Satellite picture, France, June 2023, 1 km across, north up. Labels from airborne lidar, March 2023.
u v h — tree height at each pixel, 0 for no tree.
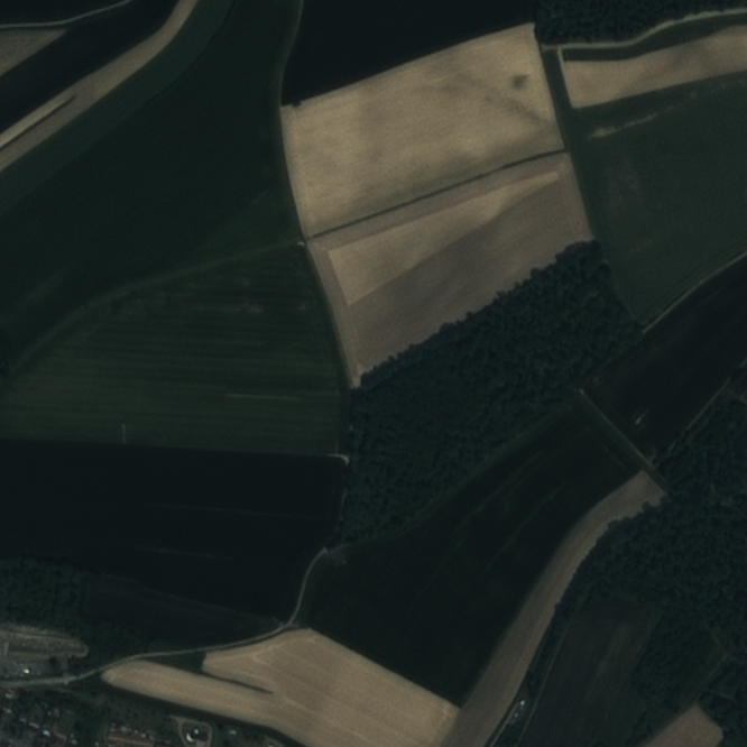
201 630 0
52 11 0
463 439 22
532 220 0
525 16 0
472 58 0
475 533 0
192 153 0
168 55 0
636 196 0
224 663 0
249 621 0
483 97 0
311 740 0
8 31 0
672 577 16
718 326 0
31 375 0
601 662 0
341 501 0
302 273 0
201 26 0
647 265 0
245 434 0
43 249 0
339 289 0
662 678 6
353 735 0
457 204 0
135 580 0
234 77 0
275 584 0
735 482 23
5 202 0
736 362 0
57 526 0
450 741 0
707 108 0
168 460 0
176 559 0
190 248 0
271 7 0
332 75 0
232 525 0
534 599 0
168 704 0
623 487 0
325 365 0
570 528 0
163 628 0
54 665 13
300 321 0
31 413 0
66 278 0
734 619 22
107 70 0
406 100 0
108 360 0
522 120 0
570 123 0
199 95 0
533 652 0
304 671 0
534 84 0
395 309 0
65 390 0
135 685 0
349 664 0
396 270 0
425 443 20
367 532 15
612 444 0
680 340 0
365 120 0
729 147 0
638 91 0
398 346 0
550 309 22
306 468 0
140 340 0
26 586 9
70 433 0
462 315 0
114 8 0
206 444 0
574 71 0
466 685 0
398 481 26
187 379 0
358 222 0
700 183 0
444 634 0
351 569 0
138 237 0
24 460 0
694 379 0
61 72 0
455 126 0
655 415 0
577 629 0
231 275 0
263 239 0
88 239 0
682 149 0
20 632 0
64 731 0
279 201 0
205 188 0
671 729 0
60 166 0
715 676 0
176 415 0
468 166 0
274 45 0
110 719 0
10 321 0
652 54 0
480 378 27
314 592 0
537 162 0
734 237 0
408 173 0
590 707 0
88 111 0
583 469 0
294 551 0
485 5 0
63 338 0
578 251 17
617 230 0
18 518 0
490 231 0
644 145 0
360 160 0
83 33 0
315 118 0
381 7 0
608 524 0
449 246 0
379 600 0
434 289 0
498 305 13
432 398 30
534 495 0
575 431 0
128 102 0
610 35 8
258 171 0
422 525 0
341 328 0
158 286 0
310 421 0
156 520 0
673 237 0
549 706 0
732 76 0
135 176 0
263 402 0
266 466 0
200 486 0
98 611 0
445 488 19
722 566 20
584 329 24
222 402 0
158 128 0
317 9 0
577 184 0
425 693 0
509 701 0
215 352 0
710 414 8
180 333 0
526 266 0
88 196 0
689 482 19
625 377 0
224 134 0
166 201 0
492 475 0
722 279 0
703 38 0
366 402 23
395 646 0
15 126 0
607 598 17
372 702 0
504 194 0
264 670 0
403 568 0
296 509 0
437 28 0
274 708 0
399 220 0
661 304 0
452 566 0
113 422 0
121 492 0
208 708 0
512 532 0
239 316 0
